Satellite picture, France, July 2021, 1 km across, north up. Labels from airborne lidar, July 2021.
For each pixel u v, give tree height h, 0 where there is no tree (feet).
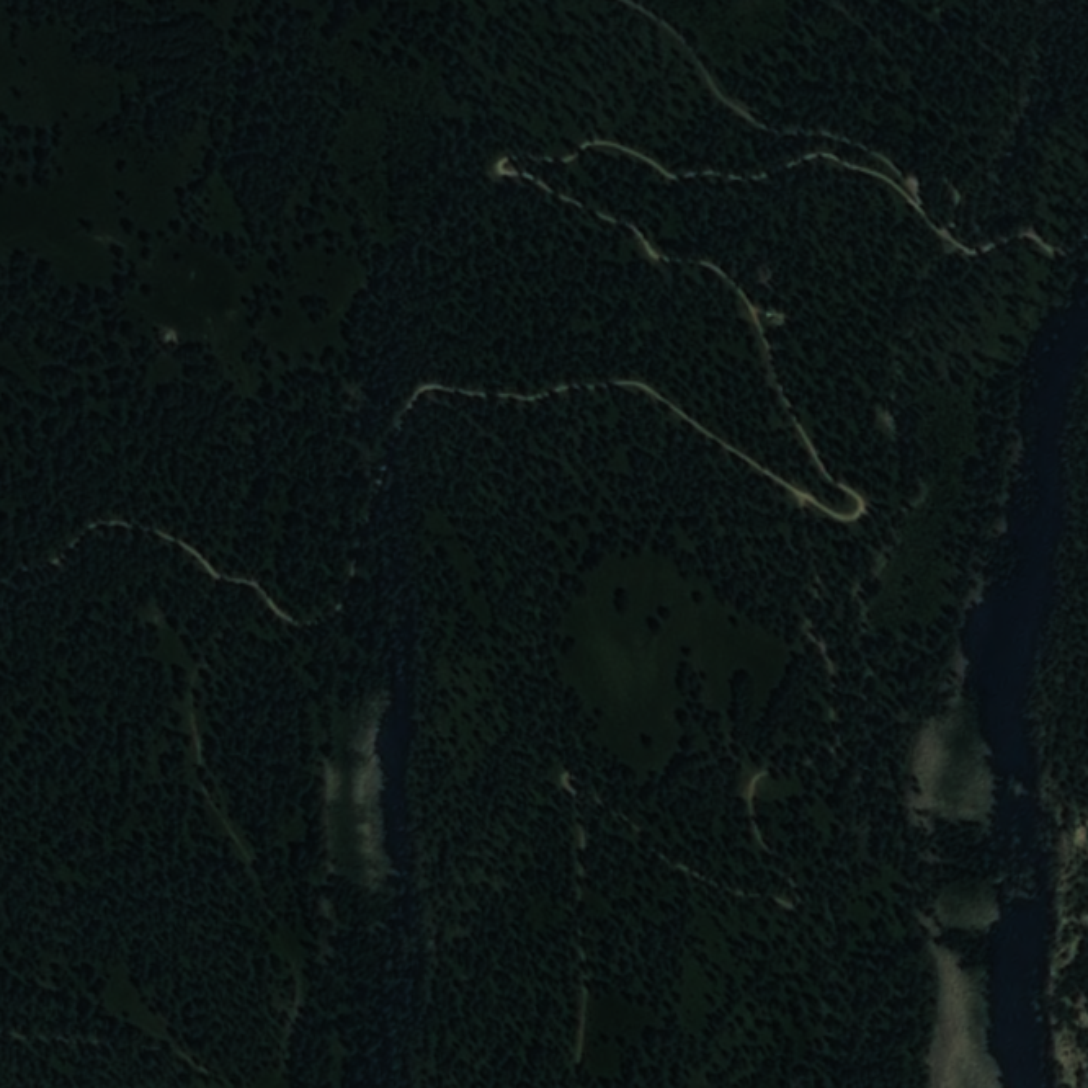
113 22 49
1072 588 43
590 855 68
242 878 78
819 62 66
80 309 52
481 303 30
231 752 51
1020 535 42
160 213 0
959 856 44
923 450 86
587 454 69
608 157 73
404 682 32
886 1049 66
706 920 0
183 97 53
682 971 80
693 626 0
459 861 50
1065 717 54
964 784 0
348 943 41
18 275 49
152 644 75
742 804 78
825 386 64
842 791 66
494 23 31
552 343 45
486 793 68
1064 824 21
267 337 0
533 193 61
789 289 83
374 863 0
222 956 73
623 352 46
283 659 83
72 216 0
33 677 87
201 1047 84
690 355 61
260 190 81
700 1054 64
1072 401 31
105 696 56
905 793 51
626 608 65
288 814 80
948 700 20
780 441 35
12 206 0
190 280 0
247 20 43
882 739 73
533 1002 62
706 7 37
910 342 23
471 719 63
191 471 42
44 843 43
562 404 53
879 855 73
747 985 42
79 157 0
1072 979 30
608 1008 0
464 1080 62
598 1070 0
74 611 70
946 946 25
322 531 62
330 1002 30
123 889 79
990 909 0
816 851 83
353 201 51
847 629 72
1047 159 80
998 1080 0
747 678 70
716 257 63
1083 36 61
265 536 72
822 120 78
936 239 44
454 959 81
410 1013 44
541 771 36
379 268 71
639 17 32
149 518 56
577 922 71
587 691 0
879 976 61
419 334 49
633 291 54
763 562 69
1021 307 87
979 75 22
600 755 57
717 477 28
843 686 61
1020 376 75
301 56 29
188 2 0
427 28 22
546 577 82
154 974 81
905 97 80
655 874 73
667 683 0
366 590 68
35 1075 71
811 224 54
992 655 53
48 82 0
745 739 62
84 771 69
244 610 73
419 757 31
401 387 44
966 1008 0
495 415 70
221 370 41
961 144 61
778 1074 53
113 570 68
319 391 74
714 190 65
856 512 0
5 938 22
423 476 46
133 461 77
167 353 45
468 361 62
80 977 87
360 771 0
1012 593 64
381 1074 64
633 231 75
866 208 71
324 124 68
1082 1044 24
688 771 73
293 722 66
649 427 35
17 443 74
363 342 73
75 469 70
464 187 74
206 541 69
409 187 41
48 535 71
